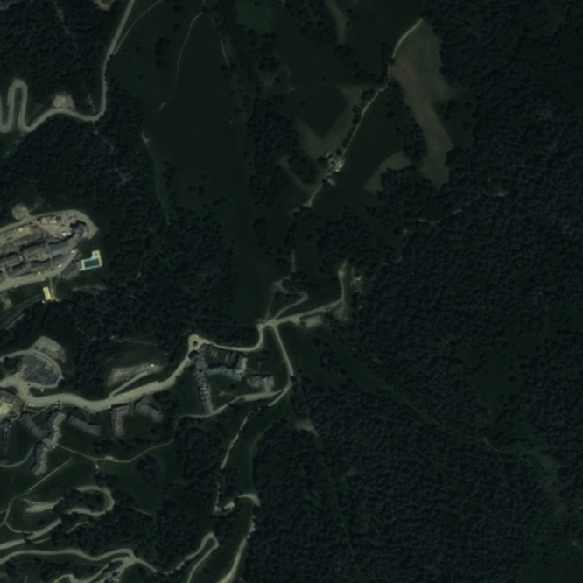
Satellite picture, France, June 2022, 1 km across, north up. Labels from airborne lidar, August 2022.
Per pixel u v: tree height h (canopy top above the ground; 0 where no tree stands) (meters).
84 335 20
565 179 33
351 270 0
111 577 0
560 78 23
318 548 24
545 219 15
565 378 10
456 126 0
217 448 26
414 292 24
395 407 18
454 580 25
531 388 16
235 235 0
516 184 34
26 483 0
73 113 0
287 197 0
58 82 15
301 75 0
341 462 23
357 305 14
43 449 0
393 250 19
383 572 24
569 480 18
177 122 0
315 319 0
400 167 0
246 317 0
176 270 9
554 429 25
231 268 19
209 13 16
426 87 0
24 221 0
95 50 25
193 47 0
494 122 19
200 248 12
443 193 12
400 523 18
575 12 20
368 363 9
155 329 9
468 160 21
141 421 0
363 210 0
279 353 0
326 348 10
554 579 0
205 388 0
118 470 0
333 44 14
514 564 19
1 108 0
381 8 0
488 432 11
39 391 0
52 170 25
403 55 0
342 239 24
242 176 0
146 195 18
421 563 11
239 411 20
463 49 25
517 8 20
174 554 16
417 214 8
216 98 0
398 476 27
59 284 0
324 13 20
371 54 0
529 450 0
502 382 0
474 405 22
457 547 27
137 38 0
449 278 28
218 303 17
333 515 23
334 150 0
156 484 13
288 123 18
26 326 12
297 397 8
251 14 0
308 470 9
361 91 0
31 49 26
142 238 14
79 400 0
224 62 0
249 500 0
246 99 12
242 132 0
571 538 6
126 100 12
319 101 0
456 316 15
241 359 0
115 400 0
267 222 19
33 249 0
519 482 14
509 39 13
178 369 0
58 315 17
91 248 0
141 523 26
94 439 0
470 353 0
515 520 15
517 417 11
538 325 17
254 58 16
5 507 0
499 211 13
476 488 33
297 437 17
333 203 0
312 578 27
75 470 0
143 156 11
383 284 19
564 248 7
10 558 0
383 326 27
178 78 0
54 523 0
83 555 0
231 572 0
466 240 22
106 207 20
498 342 22
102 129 15
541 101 32
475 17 25
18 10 29
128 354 0
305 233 0
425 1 14
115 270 19
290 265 14
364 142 0
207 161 0
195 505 13
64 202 0
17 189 21
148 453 0
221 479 12
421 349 30
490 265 32
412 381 11
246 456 0
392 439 13
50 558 0
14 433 0
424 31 0
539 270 24
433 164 0
